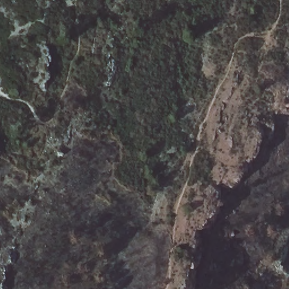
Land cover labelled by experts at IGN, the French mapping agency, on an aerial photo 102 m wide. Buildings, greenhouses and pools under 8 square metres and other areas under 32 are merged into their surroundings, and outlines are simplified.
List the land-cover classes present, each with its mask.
<instances>
[{"label":"bare soil","instance_id":"1","mask_svg":"<svg viewBox=\"0 0 289 289\"><path fill-rule=\"evenodd\" d=\"M279 21L275 20L264 32L246 33L238 37V40L243 41L252 36L264 38L262 49L269 52L273 46L278 45V38L273 33ZM41 50L38 64L34 58L29 63L19 62V65L21 68H36L38 76L34 82L45 91L46 81L50 79L47 70L51 55L49 47L42 41L41 44H37ZM211 44L204 42L201 55L202 71L205 77H208L216 67L209 59ZM257 77L249 76L247 72L242 84L237 85L234 72L240 71V67L237 65L235 54L231 53L225 75L219 80L207 115L199 125L196 148L191 154L186 155L181 167L182 170L187 165L192 166L200 150H209L216 161L212 169V178L219 186L216 190L209 185L207 189L200 191V181L193 185L184 184L175 203L174 226L168 225V200L163 193L158 192L154 204L150 205L141 199L143 193L138 192V186H125L115 176V161L123 160V143L119 135L113 134L110 137L102 134L97 139L81 133L85 130L86 122L90 121L86 111L73 117L63 139L56 138L54 133L46 139L44 152L52 150L58 157L52 163L47 160L41 164L45 168L41 175H28L25 169L17 167L14 159L0 157V289H289V63L288 67L283 69L273 60L262 61L257 68Z\"/></svg>","mask_w":289,"mask_h":289},{"label":"brushwood","instance_id":"2","mask_svg":"<svg viewBox=\"0 0 289 289\"><path fill-rule=\"evenodd\" d=\"M275 20L279 21L273 33L278 38V45L273 46L269 52L262 49L264 38L252 36L243 41L238 40V37L246 33L264 32ZM42 41L49 47L51 55L47 70L50 79L46 81L45 91L34 82L38 76L36 68H21L19 65V62L29 63L34 58L38 64L41 50L37 44H41ZM204 42L211 44L209 59L216 67L208 77H205L202 71L201 55ZM231 53L235 54L237 65L240 67V71L234 72L237 85L242 84L247 72L249 76L257 77V68L262 61L273 60L283 69L288 67L289 63V0H0V157L14 159L17 167L25 169L28 175H41L45 168L41 164L47 160L52 163L58 157L52 150L44 152L46 139L54 133L56 138L63 139L73 117L86 111L90 121L86 122L85 130L81 133L97 139L102 134L110 137L113 134L119 135L123 143V160L115 161V176L125 186H138V192L143 193L141 199L150 205L154 204L158 192L163 193L168 200V225L174 226L175 203L184 184L193 185L200 181V191L207 189L209 185L216 190L219 186L212 178V169L216 161L209 150H200L192 166L187 165L182 170L181 167L186 155L191 154L196 148L199 125L207 115L219 80L225 75Z\"/></svg>","mask_w":289,"mask_h":289}]
</instances>
